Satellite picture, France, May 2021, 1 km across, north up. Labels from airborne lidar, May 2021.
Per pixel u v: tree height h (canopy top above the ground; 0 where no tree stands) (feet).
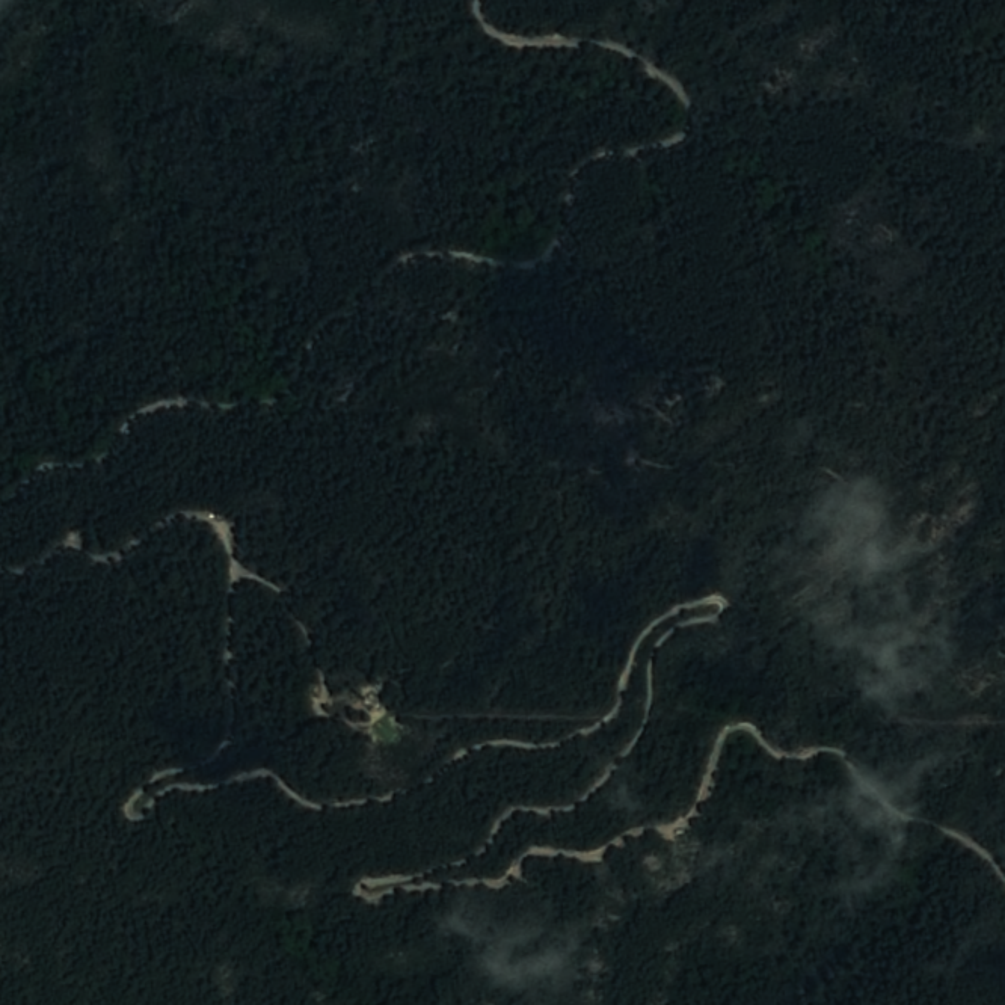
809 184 18
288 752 72
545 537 60
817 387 60
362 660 64
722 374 31
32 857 36
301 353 58
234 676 73
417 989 23
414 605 57
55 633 59
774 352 65
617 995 48
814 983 19
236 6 22
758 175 18
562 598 45
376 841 62
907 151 68
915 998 51
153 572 60
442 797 70
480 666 66
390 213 19
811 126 74
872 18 73
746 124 79
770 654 19
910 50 73
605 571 51
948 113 43
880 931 55
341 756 67
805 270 19
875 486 43
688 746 51
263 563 75
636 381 52
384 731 0
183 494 62
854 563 20
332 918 52
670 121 29
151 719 55
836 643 19
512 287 67
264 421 57
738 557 22
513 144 18
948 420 40
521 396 66
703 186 58
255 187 60
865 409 34
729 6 64
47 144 39
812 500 44
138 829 46
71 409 84
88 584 58
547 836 73
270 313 92
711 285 64
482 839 58
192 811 72
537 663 58
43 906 57
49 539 70
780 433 51
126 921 48
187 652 68
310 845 65
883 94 48
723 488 52
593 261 19
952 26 52
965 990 72
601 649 19
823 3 52
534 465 70
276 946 23
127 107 53
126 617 80
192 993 71
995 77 68
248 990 60
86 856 58
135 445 58
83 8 88
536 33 44
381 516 64
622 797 63
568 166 45
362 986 47
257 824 59
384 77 72
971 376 53
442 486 77
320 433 48
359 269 86
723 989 49
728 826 19
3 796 62
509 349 65
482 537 61
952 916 69
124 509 65
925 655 56
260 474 59
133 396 60
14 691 67
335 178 23
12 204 32
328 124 61
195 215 91
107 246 19
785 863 57
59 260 58
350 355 31
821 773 88
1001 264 52
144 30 67
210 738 46
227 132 86
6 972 37
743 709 22
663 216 75
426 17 57
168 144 29
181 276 42
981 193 40
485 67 56
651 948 68
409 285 63
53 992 41
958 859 65
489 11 44
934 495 24
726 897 57
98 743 49
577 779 61
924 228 55
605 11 52
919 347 40
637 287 58
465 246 32
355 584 84
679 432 42
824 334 72
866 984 76
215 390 64
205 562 55
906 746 57
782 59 25
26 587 73
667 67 56
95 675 52
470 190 83
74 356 64
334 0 50
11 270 72
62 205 59
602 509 21
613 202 59
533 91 88
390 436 81
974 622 46
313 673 71
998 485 51
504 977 54
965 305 47
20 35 62
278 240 51
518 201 80
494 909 56
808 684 40
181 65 48
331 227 89
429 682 62
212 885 64
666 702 40
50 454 24
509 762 62
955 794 70
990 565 47
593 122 19
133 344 64
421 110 91
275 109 30
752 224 81
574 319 76
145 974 59
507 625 73
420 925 69
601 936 48
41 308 60
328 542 57
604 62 19
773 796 103
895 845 77
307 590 79
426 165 70
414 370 38
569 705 51
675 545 63
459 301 24
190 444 60
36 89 21
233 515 54
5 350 17
